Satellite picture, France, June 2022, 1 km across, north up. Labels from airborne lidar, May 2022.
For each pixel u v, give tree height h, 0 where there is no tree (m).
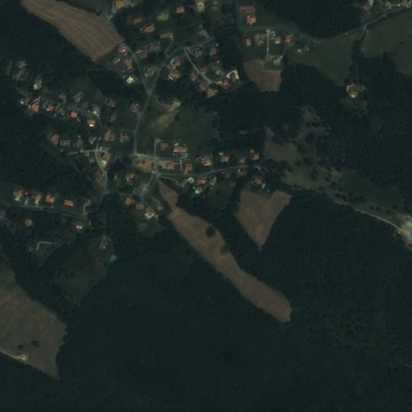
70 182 24
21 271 25
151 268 27
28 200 0
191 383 18
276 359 22
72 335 9
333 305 20
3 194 0
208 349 17
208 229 6
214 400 20
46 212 16
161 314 20
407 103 24
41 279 23
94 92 0
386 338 20
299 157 0
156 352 12
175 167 0
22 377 14
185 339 17
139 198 14
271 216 0
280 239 23
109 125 9
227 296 21
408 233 0
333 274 19
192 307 19
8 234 24
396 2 0
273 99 27
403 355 19
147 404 15
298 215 23
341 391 20
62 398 11
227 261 0
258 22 0
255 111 27
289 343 19
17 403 22
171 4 14
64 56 26
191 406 23
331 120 26
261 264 33
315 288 27
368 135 21
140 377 13
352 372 19
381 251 24
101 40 0
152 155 0
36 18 20
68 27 0
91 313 24
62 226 18
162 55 17
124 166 18
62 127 17
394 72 9
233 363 15
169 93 21
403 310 16
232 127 21
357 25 18
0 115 21
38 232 10
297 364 27
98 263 0
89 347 23
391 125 15
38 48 26
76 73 19
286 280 27
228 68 18
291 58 0
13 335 0
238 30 17
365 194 0
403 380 22
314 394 19
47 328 0
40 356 0
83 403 17
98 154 0
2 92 20
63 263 18
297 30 0
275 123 19
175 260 27
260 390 15
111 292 27
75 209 0
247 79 15
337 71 0
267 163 18
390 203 0
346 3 15
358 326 20
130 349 24
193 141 0
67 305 11
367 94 15
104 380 20
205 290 21
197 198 19
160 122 0
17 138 33
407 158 22
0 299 0
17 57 14
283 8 20
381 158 19
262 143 22
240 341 25
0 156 21
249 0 0
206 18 11
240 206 0
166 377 19
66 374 17
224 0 0
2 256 16
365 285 22
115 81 16
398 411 18
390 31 0
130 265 26
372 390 20
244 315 19
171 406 23
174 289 26
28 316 0
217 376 15
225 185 0
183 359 17
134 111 0
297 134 23
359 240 25
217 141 18
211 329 18
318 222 23
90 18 0
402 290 16
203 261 6
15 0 19
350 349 22
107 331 27
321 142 20
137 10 19
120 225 22
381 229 20
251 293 0
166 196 0
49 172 27
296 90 19
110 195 17
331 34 6
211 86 13
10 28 26
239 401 20
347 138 22
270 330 20
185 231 0
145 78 0
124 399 17
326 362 20
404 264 12
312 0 28
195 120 0
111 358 28
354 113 9
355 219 12
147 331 16
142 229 0
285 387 15
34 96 11
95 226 10
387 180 20
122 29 17
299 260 25
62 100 7
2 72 7
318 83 22
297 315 19
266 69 0
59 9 0
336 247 16
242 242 28
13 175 20
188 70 16
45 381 14
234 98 22
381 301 8
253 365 18
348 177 0
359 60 17
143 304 24
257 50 0
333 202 19
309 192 14
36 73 8
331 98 21
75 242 7
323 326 25
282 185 20
